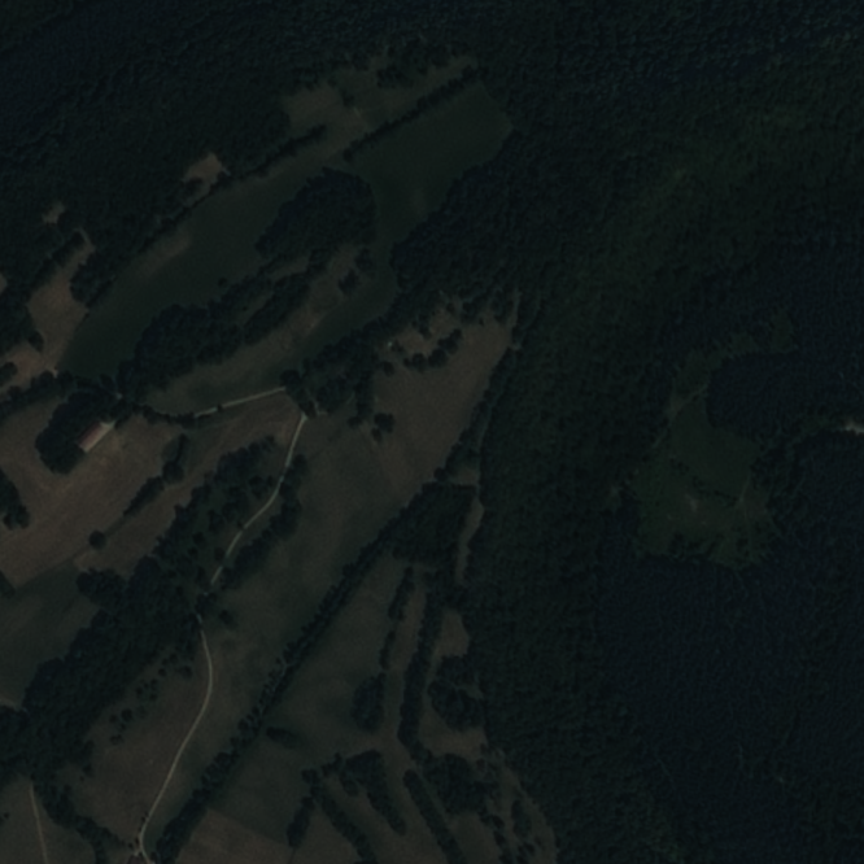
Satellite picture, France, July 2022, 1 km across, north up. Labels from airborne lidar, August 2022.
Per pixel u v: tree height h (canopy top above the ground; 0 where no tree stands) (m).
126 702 0
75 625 0
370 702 22
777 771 24
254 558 22
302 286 19
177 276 0
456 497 6
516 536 23
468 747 0
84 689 19
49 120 28
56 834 0
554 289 16
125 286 0
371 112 0
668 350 22
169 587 23
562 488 23
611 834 27
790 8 34
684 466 8
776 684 9
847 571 20
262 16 36
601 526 25
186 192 17
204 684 0
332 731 0
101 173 15
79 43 31
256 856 0
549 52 31
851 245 22
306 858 0
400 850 0
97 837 13
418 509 14
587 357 17
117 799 0
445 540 12
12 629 0
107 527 0
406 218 0
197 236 0
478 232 17
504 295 13
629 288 23
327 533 0
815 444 22
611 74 29
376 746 0
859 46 17
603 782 27
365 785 9
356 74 0
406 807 0
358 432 0
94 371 0
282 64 13
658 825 23
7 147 19
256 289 15
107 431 0
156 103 18
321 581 0
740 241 22
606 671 27
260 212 0
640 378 13
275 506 0
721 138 12
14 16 21
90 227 19
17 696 0
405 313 12
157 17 27
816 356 21
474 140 0
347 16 22
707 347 23
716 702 27
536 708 25
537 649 28
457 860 17
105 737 0
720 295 22
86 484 0
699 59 32
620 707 34
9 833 0
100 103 28
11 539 0
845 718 19
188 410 0
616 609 25
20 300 20
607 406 16
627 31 31
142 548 0
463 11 18
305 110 0
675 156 19
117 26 32
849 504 31
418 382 0
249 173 12
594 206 23
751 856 28
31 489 0
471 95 0
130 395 19
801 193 27
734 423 20
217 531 15
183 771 0
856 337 29
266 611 0
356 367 8
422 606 0
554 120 11
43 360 0
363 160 0
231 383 0
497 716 17
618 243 18
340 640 0
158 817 0
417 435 0
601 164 17
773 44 23
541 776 25
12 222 18
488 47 20
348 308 0
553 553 41
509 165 20
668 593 27
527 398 19
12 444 0
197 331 19
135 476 0
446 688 22
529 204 22
